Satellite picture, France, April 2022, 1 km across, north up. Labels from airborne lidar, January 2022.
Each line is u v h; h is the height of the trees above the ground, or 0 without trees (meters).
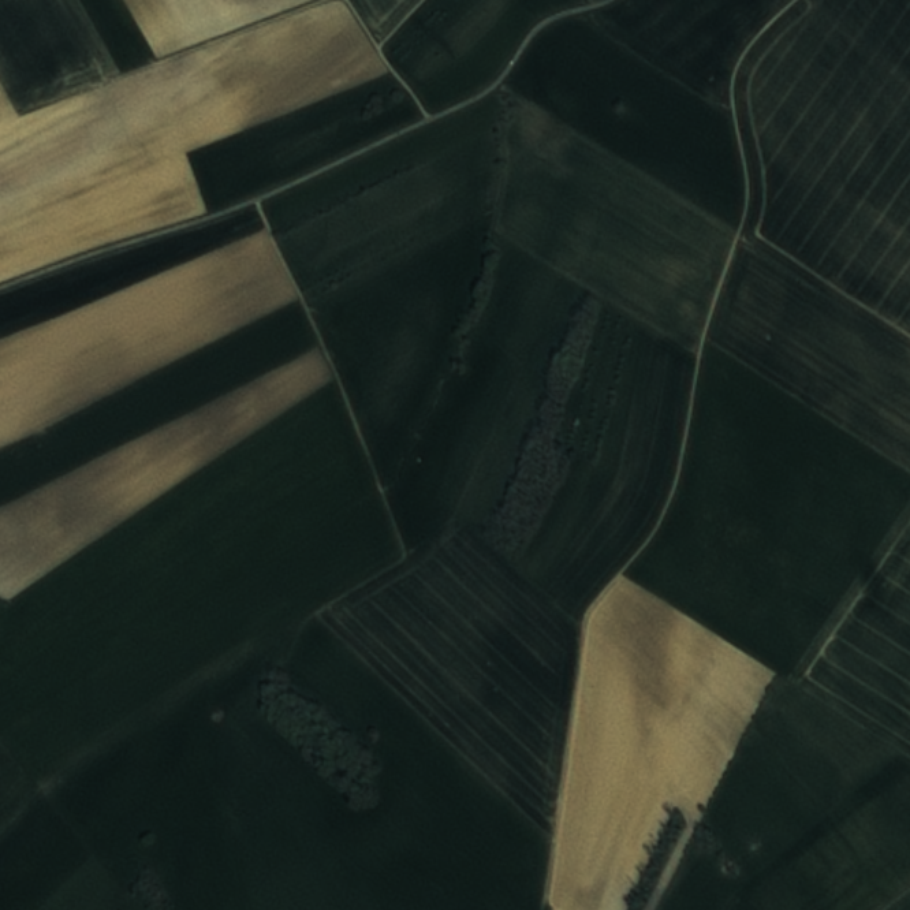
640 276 0
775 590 0
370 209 0
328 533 0
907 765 0
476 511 0
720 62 0
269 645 0
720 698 0
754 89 0
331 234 0
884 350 0
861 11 0
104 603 0
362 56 0
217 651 0
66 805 0
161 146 0
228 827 0
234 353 0
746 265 0
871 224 0
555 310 0
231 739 0
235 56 0
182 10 0
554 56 0
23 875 0
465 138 0
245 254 0
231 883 0
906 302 0
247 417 0
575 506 0
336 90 0
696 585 0
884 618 0
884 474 0
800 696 0
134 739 0
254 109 0
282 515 0
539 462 15
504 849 0
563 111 0
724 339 0
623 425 0
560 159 0
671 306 0
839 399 0
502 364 0
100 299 0
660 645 0
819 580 0
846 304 0
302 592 0
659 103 0
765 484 0
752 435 0
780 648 0
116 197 0
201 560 0
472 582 0
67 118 0
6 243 0
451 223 0
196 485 0
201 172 0
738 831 0
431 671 0
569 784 0
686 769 0
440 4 0
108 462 0
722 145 0
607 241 0
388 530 0
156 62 0
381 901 0
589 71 0
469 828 0
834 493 0
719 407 0
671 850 17
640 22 0
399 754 0
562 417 17
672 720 0
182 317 0
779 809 0
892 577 0
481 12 0
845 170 0
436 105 0
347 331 0
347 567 0
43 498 0
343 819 0
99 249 0
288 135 0
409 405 0
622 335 0
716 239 0
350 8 0
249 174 0
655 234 0
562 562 0
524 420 0
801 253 0
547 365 0
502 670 0
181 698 0
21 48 0
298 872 0
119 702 0
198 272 0
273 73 0
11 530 0
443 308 0
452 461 0
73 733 0
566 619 0
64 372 0
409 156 0
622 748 0
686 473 0
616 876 0
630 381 0
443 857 0
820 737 0
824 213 0
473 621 0
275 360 0
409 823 0
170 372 0
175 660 0
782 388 0
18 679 0
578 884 0
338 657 0
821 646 0
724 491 0
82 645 0
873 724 0
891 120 0
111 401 0
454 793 0
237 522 0
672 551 0
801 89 0
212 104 0
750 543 0
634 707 0
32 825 0
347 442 0
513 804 0
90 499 0
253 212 0
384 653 0
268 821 0
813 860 0
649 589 0
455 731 0
